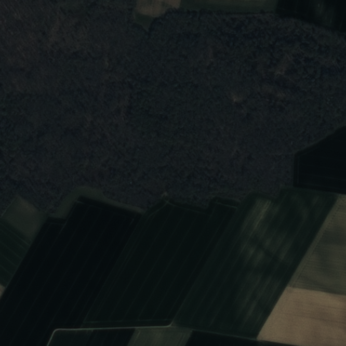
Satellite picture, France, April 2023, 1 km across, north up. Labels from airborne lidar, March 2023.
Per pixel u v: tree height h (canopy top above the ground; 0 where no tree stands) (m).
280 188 12
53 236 0
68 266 0
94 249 0
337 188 0
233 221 0
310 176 0
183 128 14
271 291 0
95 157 22
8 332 0
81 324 0
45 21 22
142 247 0
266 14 16
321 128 18
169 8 0
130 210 0
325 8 0
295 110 24
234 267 0
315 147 0
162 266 0
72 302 0
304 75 22
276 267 0
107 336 0
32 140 24
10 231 0
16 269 0
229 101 21
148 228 0
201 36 26
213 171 7
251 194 0
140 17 0
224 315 0
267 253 0
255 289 0
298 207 0
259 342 0
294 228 0
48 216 0
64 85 24
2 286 0
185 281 0
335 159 0
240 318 0
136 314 0
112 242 0
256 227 0
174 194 9
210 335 0
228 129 18
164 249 0
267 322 0
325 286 0
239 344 0
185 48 23
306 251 0
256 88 21
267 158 24
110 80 26
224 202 0
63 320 0
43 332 0
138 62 23
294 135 22
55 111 26
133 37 17
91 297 0
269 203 0
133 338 0
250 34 12
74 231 0
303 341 0
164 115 16
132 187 11
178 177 20
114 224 0
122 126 20
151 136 19
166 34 25
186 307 0
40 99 28
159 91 22
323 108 22
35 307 0
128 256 0
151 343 0
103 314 0
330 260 0
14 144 24
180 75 25
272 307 0
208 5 0
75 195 0
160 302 0
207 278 0
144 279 0
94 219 0
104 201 0
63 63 23
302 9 0
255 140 22
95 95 25
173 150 19
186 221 0
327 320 0
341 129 0
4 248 0
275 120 22
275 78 0
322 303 0
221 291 0
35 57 28
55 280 0
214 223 0
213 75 19
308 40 15
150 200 8
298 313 0
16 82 27
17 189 19
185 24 25
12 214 0
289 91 26
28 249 0
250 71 19
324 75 19
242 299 0
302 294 0
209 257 0
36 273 0
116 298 0
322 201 0
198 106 21
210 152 20
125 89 23
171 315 0
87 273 0
